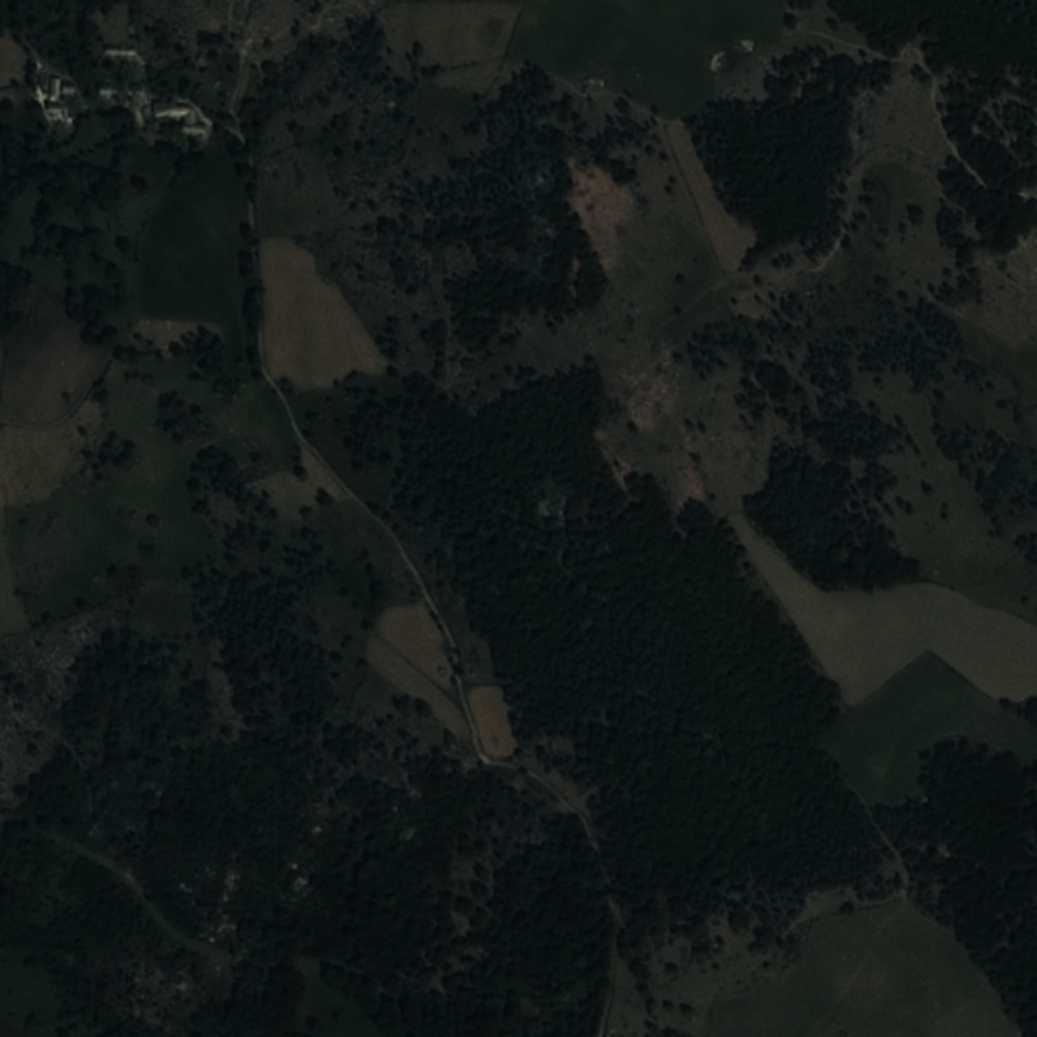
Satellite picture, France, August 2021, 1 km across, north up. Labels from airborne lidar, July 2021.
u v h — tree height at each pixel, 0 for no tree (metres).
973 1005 0
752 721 12
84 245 7
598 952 10
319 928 7
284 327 0
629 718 12
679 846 15
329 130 6
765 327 11
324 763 8
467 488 11
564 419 12
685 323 0
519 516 10
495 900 8
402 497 9
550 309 9
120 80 9
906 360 9
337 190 9
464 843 11
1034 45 12
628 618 12
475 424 12
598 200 0
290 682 7
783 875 14
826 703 7
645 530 12
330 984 18
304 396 0
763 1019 0
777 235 15
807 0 13
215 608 13
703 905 13
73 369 0
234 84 0
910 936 0
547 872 13
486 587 10
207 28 0
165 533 0
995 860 16
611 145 14
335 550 0
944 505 6
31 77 9
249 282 12
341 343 0
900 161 0
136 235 0
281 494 0
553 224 7
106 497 0
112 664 17
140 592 0
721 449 0
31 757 14
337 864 8
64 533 0
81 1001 7
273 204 0
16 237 0
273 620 14
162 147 14
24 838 10
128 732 0
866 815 16
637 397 0
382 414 19
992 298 0
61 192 15
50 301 0
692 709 15
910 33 13
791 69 9
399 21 0
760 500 12
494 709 0
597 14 0
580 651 13
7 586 0
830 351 8
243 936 13
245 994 15
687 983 0
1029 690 0
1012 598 0
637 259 0
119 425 0
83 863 6
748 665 11
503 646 14
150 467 0
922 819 12
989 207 15
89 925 10
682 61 0
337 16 0
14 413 0
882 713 0
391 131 0
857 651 0
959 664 0
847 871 15
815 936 0
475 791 16
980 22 15
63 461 0
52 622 10
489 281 8
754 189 12
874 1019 0
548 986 13
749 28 0
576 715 15
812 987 0
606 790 14
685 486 0
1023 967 14
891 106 0
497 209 10
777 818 11
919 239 0
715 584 14
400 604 0
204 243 0
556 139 13
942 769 13
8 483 0
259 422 0
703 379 10
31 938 7
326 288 0
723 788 14
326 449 0
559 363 0
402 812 10
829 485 11
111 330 10
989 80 6
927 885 9
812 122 16
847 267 0
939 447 7
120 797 0
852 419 17
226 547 13
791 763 12
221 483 13
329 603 0
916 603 0
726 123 7
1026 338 0
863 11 14
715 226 0
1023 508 7
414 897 13
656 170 0
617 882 11
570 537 10
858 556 18
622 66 0
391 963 13
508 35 0
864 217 10
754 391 11
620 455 0
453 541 10
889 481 10
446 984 11
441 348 8
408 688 0
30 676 0
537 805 11
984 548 0
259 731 7
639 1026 0
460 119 0
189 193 0
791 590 0
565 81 0
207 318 0
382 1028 21
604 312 0
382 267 0
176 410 9
